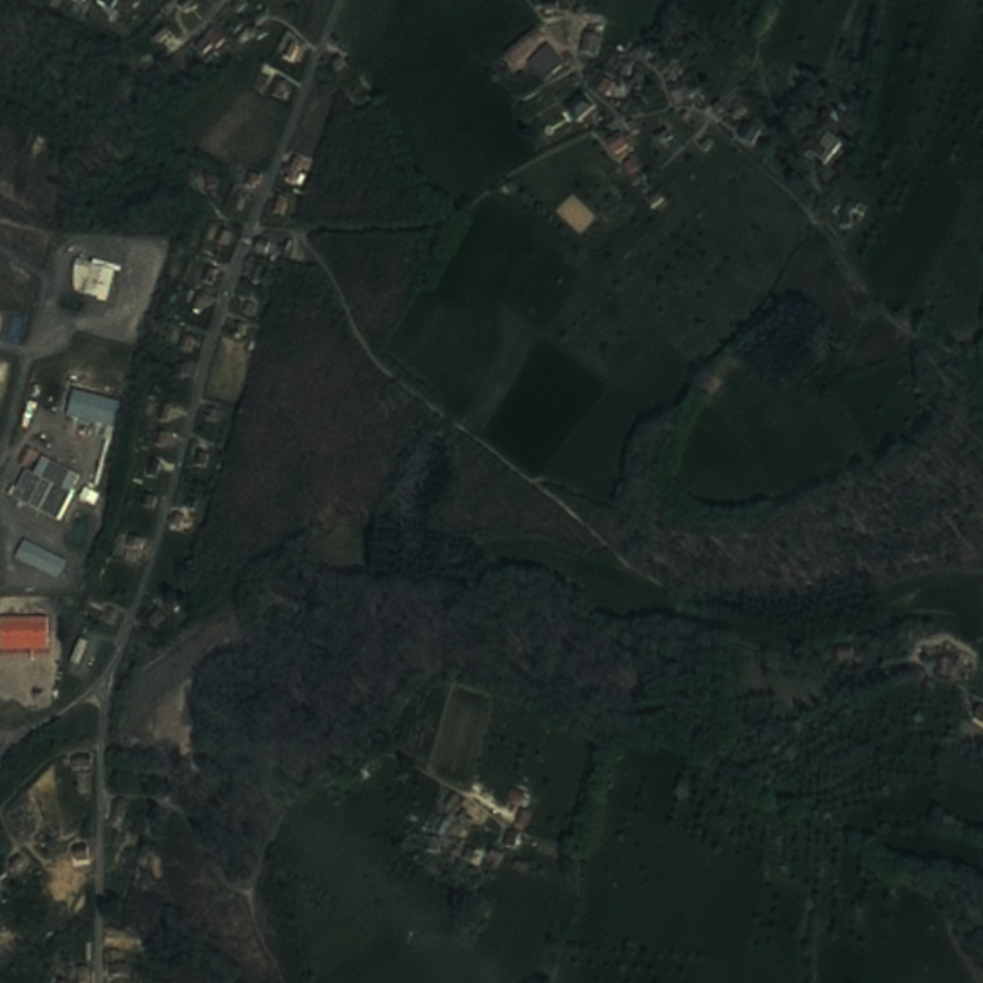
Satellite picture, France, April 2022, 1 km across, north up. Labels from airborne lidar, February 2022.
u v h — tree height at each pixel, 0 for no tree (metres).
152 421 0
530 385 0
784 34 0
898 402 0
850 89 0
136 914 0
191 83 24
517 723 0
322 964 0
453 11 0
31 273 0
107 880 0
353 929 0
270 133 0
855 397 0
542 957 0
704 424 0
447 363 0
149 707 0
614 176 0
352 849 0
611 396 0
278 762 26
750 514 19
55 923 0
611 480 0
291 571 23
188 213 29
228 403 0
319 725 29
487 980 0
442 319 0
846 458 0
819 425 0
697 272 0
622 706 31
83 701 0
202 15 0
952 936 0
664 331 0
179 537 0
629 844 0
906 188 9
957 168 0
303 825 0
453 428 11
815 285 0
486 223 0
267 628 26
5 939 0
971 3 0
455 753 0
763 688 0
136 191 16
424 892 0
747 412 0
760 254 0
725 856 0
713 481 0
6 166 0
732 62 0
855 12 0
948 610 0
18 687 0
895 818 8
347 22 0
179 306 0
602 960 0
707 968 0
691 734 25
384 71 0
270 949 0
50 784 0
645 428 15
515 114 0
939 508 8
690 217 0
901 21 0
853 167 9
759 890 0
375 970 0
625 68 0
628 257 0
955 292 0
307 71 0
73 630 0
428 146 0
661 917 0
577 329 0
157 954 16
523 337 0
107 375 0
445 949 0
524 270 0
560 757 0
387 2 0
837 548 7
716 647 26
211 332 0
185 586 22
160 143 25
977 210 0
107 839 0
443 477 27
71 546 0
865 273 0
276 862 19
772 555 0
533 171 0
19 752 8
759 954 0
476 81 0
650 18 0
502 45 0
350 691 8
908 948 0
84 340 0
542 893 0
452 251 17
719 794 8
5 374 0
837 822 7
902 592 0
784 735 12
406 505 28
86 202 22
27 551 0
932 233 0
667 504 27
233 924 0
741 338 14
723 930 0
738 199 0
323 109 0
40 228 0
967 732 0
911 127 0
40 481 0
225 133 0
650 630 25
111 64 28
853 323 0
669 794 0
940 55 0
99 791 0
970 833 18
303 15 14
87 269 0
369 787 0
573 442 0
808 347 27
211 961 27
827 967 0
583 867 6
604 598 0
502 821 0
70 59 22
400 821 0
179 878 0
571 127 0
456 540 18
